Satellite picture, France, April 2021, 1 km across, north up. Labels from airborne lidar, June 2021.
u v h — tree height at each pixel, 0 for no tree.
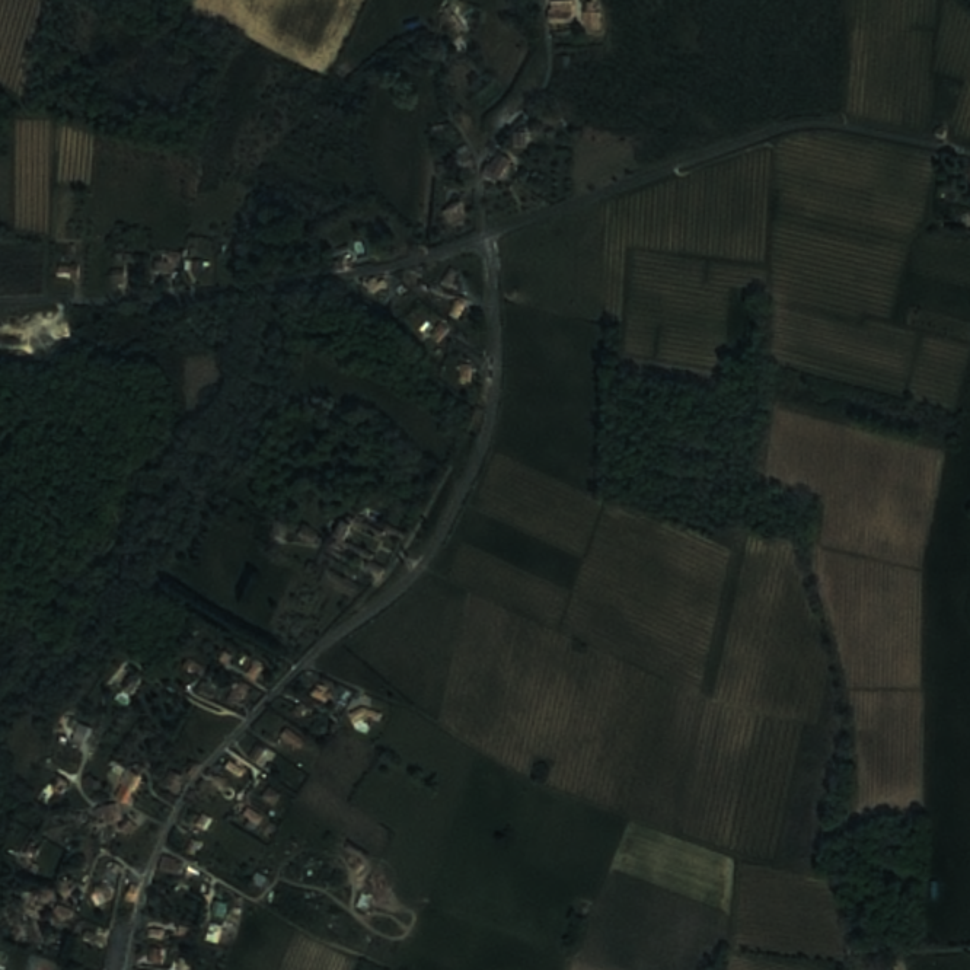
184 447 22
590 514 0
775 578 0
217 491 6
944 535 0
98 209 0
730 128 7
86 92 24
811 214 0
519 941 0
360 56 0
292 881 0
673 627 0
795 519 18
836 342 0
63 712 13
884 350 0
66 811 13
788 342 0
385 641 0
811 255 0
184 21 16
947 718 0
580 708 0
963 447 10
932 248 0
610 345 15
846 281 0
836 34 9
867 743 0
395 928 0
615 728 0
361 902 0
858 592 0
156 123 22
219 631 14
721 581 0
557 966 0
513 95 0
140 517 13
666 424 25
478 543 0
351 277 0
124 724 7
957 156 17
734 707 0
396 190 0
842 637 0
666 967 0
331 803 0
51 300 0
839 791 19
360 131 12
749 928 0
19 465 22
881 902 22
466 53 11
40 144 0
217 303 15
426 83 0
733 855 0
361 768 0
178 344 8
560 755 0
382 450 21
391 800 0
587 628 0
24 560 24
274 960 0
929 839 19
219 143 8
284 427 15
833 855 21
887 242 0
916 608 0
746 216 0
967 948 7
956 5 0
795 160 0
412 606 0
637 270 0
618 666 0
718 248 0
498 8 0
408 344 22
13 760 13
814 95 12
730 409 17
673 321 0
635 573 0
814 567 13
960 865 0
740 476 19
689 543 0
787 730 0
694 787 0
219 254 6
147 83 19
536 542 0
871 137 0
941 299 0
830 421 0
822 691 0
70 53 26
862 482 0
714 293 0
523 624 0
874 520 0
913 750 0
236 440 16
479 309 7
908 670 0
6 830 14
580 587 0
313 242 12
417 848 0
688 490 13
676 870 0
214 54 21
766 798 0
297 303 22
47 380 24
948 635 0
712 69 11
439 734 0
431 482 14
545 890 0
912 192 0
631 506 19
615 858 0
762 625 0
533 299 0
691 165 0
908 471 0
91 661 15
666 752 0
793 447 0
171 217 0
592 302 0
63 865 8
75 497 31
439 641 0
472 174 11
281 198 11
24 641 17
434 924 0
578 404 0
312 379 0
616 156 0
